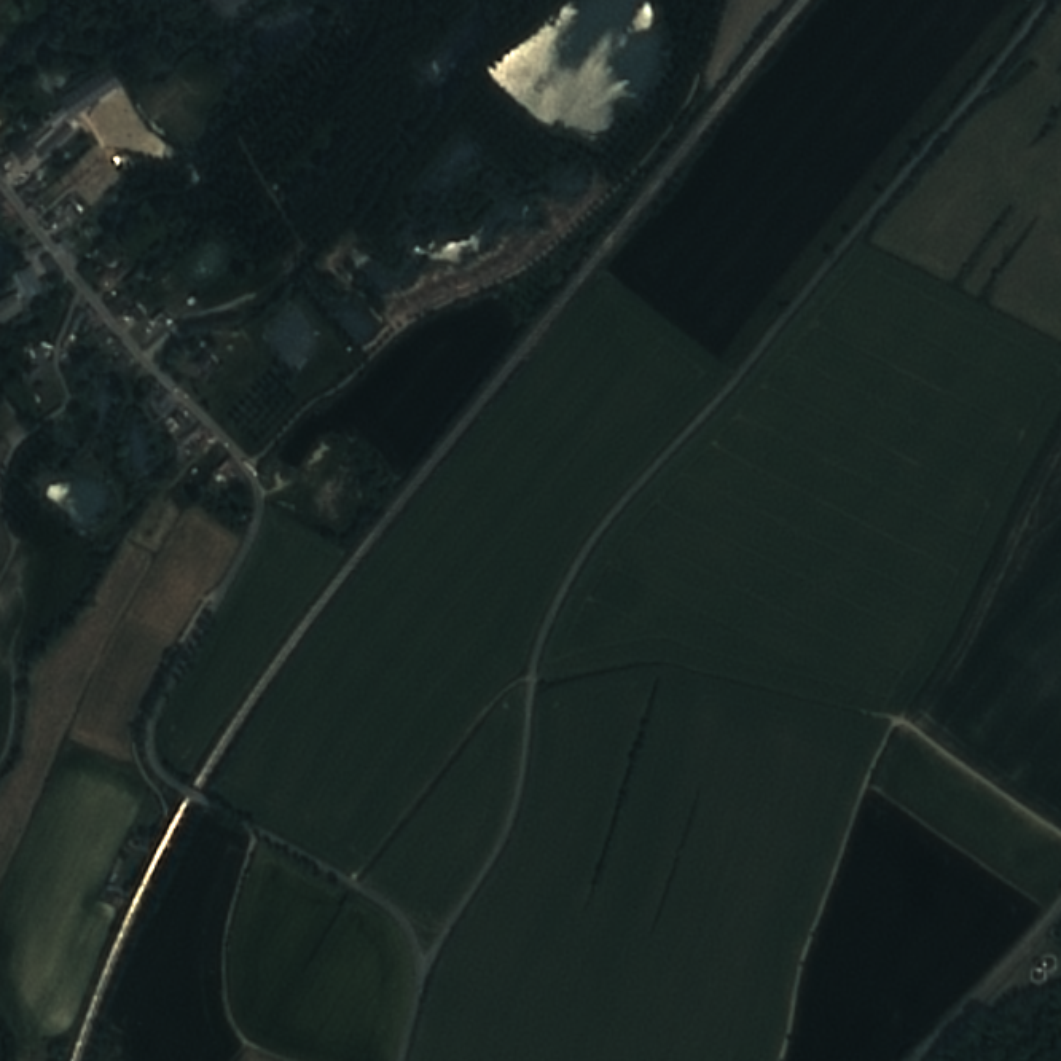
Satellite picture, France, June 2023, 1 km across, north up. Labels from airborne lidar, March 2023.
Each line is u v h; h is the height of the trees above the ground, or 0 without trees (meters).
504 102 17
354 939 0
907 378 0
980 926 0
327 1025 0
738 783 0
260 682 0
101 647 0
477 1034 0
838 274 0
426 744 0
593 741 0
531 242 26
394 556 0
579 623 0
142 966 0
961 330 0
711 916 0
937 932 0
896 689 0
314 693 0
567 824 0
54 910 0
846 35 0
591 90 0
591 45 0
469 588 0
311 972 0
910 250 0
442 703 0
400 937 0
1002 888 0
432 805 0
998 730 0
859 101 0
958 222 0
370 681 0
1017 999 19
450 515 0
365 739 0
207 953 0
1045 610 0
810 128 0
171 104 0
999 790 0
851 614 0
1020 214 0
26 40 21
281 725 0
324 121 6
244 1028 0
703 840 0
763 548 0
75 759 0
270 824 0
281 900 0
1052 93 0
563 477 0
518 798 0
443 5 24
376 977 0
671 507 0
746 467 0
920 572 0
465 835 0
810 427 0
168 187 12
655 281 0
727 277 0
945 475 0
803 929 0
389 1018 0
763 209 0
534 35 0
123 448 8
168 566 0
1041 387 0
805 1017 0
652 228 0
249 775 0
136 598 0
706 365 0
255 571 0
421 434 0
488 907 0
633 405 0
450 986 0
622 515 0
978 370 0
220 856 0
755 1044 0
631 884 0
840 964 0
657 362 0
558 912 0
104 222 15
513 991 0
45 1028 0
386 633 0
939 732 0
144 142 0
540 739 0
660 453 0
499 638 0
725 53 0
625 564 0
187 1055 0
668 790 0
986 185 0
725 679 0
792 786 0
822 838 0
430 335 0
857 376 0
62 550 0
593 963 0
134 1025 0
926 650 0
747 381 0
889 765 0
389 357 0
